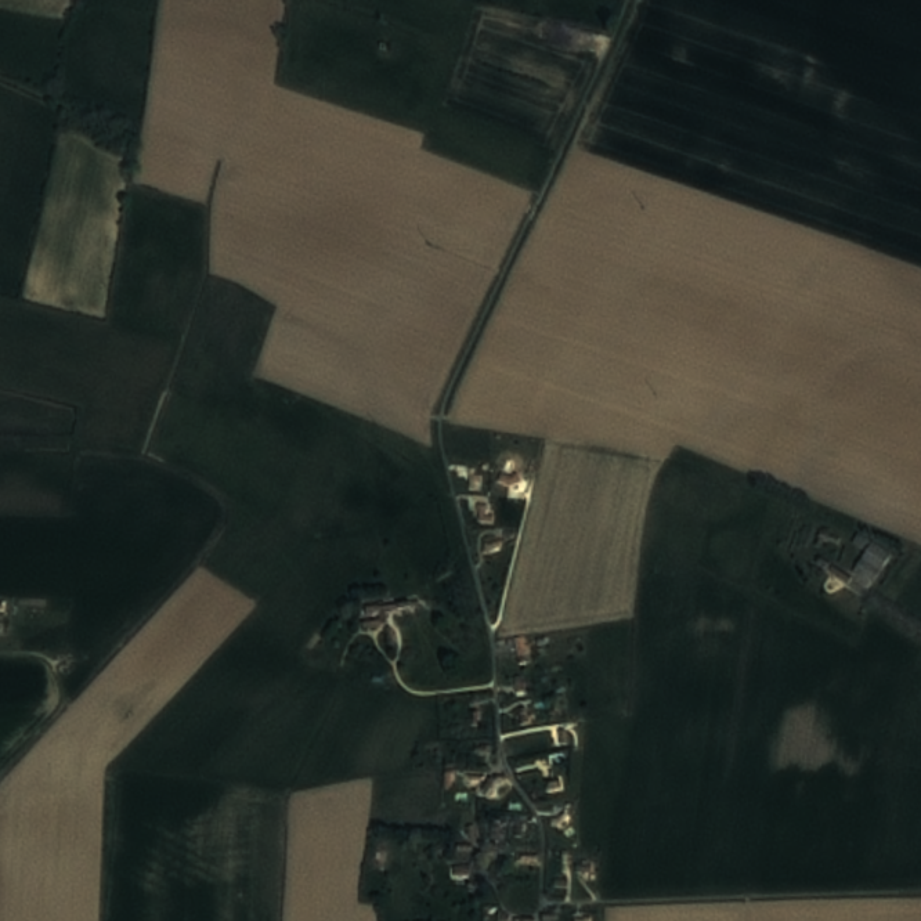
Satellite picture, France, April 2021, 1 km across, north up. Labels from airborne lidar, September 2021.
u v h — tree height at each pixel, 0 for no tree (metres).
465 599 12
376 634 0
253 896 0
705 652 0
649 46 0
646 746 0
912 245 0
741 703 0
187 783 0
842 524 0
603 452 0
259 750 0
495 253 0
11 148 0
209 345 0
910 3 0
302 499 0
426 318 0
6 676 0
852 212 0
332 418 0
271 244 0
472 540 0
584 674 0
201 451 0
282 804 0
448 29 0
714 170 0
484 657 0
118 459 0
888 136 0
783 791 0
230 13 0
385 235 0
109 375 0
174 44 0
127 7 0
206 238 0
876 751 0
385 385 0
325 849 0
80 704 0
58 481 0
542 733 0
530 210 0
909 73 0
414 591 0
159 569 0
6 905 0
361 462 0
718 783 0
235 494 0
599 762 0
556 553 0
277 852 0
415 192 0
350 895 0
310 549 0
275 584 0
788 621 0
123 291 0
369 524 0
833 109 0
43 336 0
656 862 0
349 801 0
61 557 0
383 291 0
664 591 0
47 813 0
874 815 0
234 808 0
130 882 0
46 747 0
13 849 0
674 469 0
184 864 0
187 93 0
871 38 0
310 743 0
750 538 0
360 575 0
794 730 0
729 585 0
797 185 0
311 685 0
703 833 0
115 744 0
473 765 9
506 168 0
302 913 0
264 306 0
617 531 0
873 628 0
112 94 0
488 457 0
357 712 0
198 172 0
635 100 0
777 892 0
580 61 0
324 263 0
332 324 0
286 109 0
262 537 0
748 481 0
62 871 0
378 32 0
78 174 0
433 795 0
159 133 0
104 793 0
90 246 0
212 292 0
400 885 0
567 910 6
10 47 0
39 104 0
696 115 0
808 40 0
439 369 0
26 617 0
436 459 0
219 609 0
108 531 0
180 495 0
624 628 0
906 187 0
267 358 0
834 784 0
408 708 0
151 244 0
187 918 0
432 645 0
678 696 0
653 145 0
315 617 0
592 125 0
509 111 0
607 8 0
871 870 0
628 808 0
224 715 0
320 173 0
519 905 0
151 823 0
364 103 0
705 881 0
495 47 0
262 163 0
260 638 0
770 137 0
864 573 0
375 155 0
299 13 0
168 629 0
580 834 0
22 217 0
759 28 0
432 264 0
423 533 0
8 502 0
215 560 0
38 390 0
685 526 0
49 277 0
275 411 0
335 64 0
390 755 0
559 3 0
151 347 0
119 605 0
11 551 0
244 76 0
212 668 0
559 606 0
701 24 0
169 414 0
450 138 0
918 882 0
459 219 0
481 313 0
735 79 0
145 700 0
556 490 0
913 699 0
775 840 0
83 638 0
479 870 6
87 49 0
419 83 0
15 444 0
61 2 0
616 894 0
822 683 0
